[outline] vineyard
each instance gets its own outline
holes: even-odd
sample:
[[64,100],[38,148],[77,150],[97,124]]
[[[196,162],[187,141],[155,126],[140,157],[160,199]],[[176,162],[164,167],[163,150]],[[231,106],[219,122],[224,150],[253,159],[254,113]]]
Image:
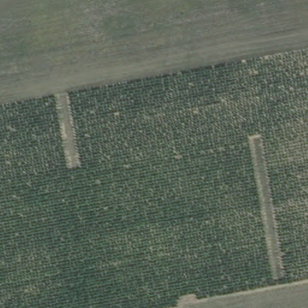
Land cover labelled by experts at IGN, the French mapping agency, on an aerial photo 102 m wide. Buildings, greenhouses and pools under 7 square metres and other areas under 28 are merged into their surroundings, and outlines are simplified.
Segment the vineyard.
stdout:
[[103,87],[85,85],[84,88],[70,90],[69,94],[49,94],[38,99],[31,97],[0,105],[0,308],[168,308],[176,306],[179,298],[184,295],[192,294],[196,298],[205,298],[308,279],[308,45],[239,55],[238,58],[217,65],[211,63],[195,69],[182,70],[182,75],[164,73]]

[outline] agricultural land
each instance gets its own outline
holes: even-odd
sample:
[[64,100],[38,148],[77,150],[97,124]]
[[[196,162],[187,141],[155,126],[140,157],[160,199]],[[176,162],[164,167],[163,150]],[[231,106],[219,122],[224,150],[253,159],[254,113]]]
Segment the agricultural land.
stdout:
[[211,63],[217,65],[238,58],[239,55],[308,45],[308,0],[0,0],[0,105],[31,97],[38,99],[49,94],[69,94],[70,90],[84,88],[85,85],[103,87],[164,73],[182,75],[182,70],[195,69]]
[[184,295],[179,298],[176,306],[168,308],[308,308],[308,279],[205,298],[196,298],[192,294]]

